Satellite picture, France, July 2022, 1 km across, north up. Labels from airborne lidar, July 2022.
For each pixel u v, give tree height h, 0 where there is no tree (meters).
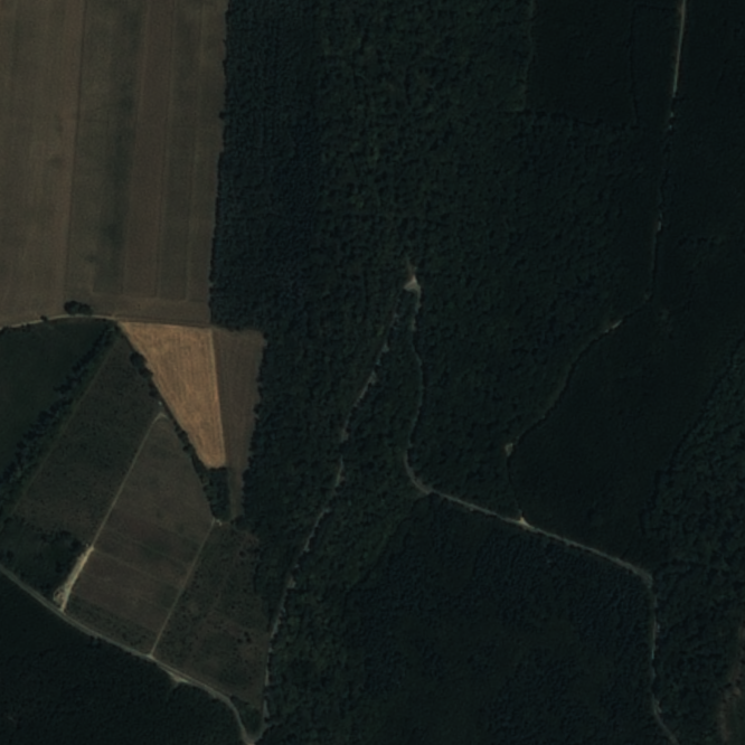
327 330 23
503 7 21
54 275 0
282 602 9
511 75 18
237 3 9
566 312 20
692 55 8
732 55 8
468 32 21
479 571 22
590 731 15
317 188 22
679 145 16
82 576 0
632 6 9
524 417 22
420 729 14
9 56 0
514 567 24
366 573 10
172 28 0
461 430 22
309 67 13
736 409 18
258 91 17
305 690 14
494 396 7
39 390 0
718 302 9
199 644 0
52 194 0
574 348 18
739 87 9
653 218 14
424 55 23
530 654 13
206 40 0
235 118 15
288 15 12
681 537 20
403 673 20
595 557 15
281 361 24
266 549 13
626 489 12
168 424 0
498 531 20
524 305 23
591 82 8
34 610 6
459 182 18
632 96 9
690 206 16
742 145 15
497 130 20
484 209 19
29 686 18
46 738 15
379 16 20
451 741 11
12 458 0
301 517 19
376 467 22
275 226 15
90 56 0
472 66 19
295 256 15
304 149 19
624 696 18
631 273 14
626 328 11
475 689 14
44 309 0
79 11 0
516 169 20
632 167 16
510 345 23
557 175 23
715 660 20
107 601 0
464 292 19
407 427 21
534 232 22
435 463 23
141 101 0
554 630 14
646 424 9
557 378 18
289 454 22
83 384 19
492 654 24
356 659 17
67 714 13
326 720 22
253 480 24
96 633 0
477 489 20
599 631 28
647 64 16
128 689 17
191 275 0
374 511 13
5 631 7
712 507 22
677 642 22
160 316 0
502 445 20
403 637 14
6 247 0
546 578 15
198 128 0
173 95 0
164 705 14
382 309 15
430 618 17
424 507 11
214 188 0
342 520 18
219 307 15
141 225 0
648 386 10
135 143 0
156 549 0
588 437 13
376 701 19
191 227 0
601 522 26
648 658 15
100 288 0
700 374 7
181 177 0
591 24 7
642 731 14
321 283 19
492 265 18
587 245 22
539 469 15
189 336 0
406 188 24
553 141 20
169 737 13
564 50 7
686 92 8
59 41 0
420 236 20
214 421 0
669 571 21
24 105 0
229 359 0
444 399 23
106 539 0
